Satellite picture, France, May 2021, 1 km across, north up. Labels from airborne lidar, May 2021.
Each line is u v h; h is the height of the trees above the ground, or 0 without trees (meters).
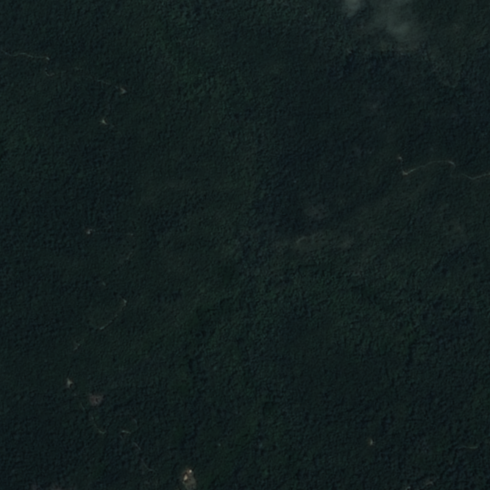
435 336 24
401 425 19
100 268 10
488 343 9
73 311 15
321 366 16
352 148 9
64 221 10
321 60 12
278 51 9
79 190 17
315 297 12
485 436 14
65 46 11
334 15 14
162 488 9
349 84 11
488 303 14
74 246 9
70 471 9
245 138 17
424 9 11
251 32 9
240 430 10
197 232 5
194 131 12
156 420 15
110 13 9
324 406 17
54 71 10
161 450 10
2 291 19
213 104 6
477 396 17
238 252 14
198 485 6
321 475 19
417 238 8
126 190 8
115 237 9
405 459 8
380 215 8
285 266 10
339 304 16
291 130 13
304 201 10
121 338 12
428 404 13
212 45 10
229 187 7
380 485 9
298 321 19
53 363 12
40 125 10
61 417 15
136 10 7
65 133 6
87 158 13
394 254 8
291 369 14
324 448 13
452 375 14
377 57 14
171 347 7
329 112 11
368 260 7
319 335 14
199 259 9
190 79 12
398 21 8
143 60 14
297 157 13
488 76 9
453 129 10
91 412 12
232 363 14
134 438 13
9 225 11
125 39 13
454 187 7
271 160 11
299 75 10
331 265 19
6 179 14
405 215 9
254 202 9
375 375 15
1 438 12
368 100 7
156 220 14
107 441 7
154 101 15
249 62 8
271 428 13
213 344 7
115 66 12
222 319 19
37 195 13
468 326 21
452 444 8
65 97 14
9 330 13
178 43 11
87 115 5
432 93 8
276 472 11
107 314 10
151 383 19
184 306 7
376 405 15
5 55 16
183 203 16
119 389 11
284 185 15
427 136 8
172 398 9
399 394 16
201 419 12
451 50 12
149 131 8
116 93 18
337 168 7
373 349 18
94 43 14
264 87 9
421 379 10
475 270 6
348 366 14
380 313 18
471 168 10
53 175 10
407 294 18
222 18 13
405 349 14
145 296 10
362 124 8
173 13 13
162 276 12
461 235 10
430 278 8
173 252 13
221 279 8
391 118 11
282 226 12
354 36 7
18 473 13
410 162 8
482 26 12
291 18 11
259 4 15
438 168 8
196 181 12
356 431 12
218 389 8
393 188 6
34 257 9
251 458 8
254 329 12
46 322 9
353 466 12
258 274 16
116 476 12
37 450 13
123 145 11
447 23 10
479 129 12
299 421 8
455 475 25
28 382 11
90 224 10
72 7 17
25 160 11
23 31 10
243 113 6
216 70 14
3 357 7
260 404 8
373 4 12
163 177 7
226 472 13
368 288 25
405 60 6
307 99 7
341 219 7
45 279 11
